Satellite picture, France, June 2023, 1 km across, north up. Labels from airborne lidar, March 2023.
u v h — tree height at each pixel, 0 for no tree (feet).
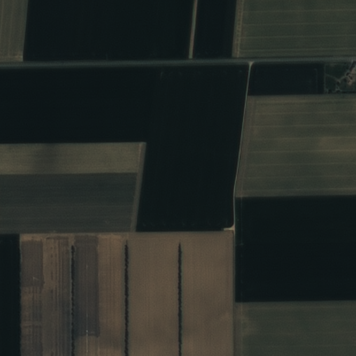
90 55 0
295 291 0
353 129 0
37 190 0
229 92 0
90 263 0
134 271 0
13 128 0
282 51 0
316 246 0
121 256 0
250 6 0
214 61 0
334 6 0
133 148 0
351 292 0
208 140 0
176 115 0
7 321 0
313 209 0
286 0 0
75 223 0
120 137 0
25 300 0
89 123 0
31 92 0
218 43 0
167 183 0
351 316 0
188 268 0
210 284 0
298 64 0
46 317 0
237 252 0
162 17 0
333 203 0
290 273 0
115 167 0
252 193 0
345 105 0
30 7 0
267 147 0
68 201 0
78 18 0
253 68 0
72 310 23
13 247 0
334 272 0
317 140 0
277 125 0
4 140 0
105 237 0
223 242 0
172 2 0
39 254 0
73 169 0
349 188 0
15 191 0
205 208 0
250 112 0
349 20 0
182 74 0
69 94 0
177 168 0
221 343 0
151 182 0
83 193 0
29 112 0
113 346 0
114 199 0
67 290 0
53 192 0
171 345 0
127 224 0
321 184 0
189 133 0
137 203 0
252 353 0
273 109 0
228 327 0
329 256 0
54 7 0
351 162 0
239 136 0
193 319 0
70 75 0
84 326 0
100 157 0
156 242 0
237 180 0
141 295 0
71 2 0
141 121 0
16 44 0
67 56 0
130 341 0
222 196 0
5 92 0
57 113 0
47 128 0
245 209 0
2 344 0
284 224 0
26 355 0
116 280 0
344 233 0
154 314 0
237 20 0
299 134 0
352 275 0
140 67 0
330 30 0
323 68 0
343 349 0
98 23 0
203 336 0
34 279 0
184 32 0
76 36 0
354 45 0
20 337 28
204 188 0
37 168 0
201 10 0
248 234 0
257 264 0
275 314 0
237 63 0
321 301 0
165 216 0
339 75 0
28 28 0
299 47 0
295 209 0
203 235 0
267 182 0
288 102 0
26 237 0
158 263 0
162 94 0
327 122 0
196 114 0
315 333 0
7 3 0
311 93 0
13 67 0
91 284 0
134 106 0
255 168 0
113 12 0
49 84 0
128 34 0
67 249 0
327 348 0
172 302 0
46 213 0
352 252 0
